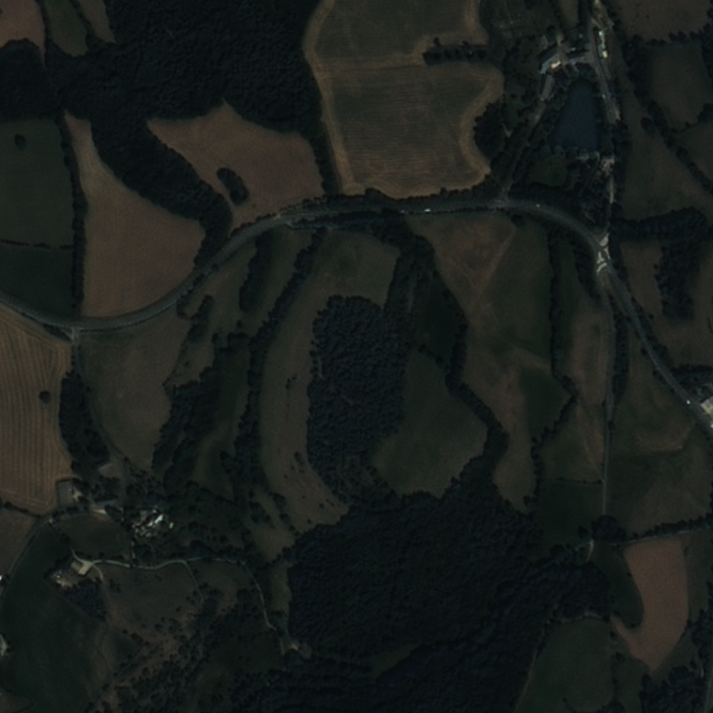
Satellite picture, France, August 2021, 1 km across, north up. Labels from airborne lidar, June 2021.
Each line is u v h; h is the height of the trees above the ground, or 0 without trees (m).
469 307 0
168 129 0
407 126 0
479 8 0
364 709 23
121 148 24
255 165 0
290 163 0
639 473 0
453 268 0
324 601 22
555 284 13
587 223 13
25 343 0
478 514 13
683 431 0
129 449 0
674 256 14
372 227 13
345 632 8
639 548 0
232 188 14
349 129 0
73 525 0
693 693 16
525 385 0
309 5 6
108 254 0
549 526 0
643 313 10
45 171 0
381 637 7
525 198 11
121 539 0
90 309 0
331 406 14
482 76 0
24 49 15
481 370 0
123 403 0
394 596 14
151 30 18
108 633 0
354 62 0
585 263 16
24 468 0
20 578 0
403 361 16
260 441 11
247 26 14
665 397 0
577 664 0
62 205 0
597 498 0
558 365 12
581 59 0
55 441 0
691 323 0
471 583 17
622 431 0
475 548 16
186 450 16
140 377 0
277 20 9
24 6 0
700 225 19
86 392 9
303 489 0
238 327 7
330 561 25
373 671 18
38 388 0
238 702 16
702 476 0
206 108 16
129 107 17
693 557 0
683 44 11
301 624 24
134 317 0
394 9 0
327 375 12
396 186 0
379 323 10
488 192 13
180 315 9
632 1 0
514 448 0
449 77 0
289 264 0
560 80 20
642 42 12
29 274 0
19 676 0
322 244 10
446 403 0
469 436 0
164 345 0
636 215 0
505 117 14
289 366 0
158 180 25
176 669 11
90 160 0
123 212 0
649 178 0
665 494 0
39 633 0
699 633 16
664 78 0
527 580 11
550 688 0
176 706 18
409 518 16
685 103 0
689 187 0
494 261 0
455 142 0
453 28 0
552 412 0
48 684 0
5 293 0
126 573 0
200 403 17
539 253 0
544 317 0
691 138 0
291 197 0
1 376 0
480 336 0
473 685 27
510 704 16
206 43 20
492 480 14
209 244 17
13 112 15
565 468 0
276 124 18
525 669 19
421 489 0
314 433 15
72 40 0
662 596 0
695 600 0
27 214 0
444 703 23
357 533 13
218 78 20
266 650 0
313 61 0
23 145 16
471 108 0
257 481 14
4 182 0
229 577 0
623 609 0
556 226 13
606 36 0
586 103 0
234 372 0
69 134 13
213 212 18
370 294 0
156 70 15
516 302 0
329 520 0
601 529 17
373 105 0
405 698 28
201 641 12
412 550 17
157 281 0
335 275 0
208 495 16
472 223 0
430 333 0
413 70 0
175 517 8
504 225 0
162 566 0
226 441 0
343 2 0
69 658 0
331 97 0
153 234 0
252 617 21
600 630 0
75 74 18
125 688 8
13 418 0
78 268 13
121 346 0
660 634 0
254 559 18
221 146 0
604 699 0
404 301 11
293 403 0
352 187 0
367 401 15
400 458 0
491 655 30
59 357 0
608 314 0
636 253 0
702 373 14
